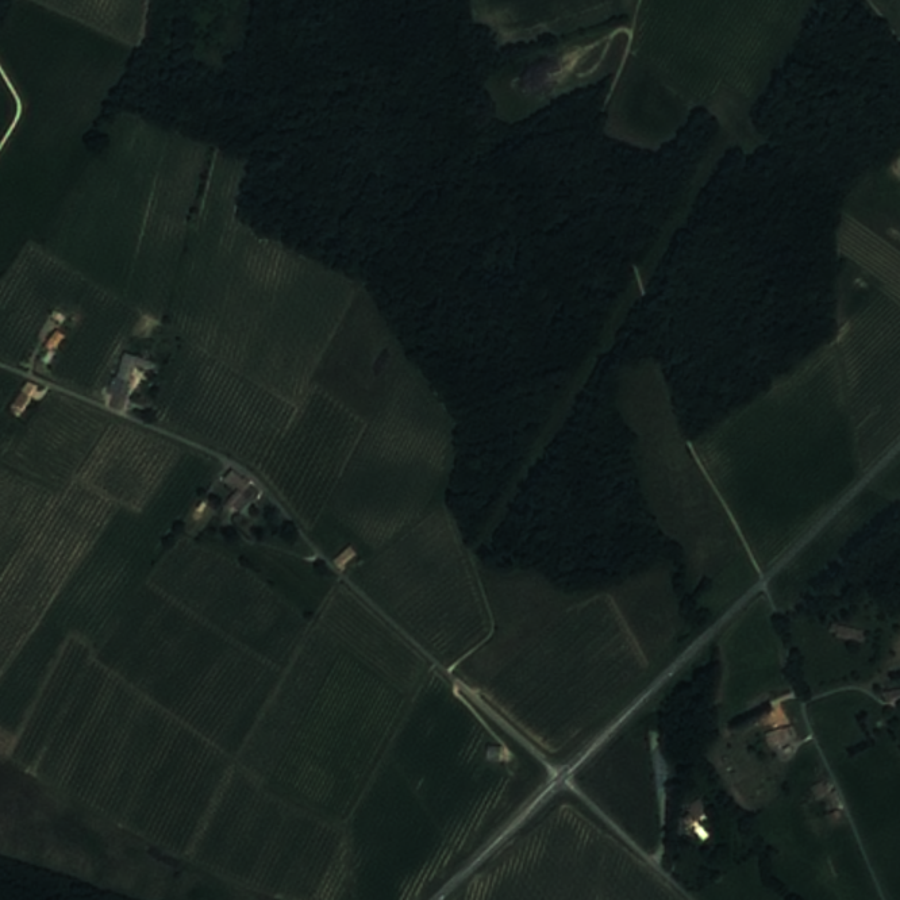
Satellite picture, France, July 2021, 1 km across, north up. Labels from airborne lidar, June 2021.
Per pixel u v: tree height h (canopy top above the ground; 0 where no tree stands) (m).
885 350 0
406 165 25
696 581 0
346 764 0
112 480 0
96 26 0
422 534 0
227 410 0
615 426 19
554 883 0
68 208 0
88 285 0
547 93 0
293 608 0
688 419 14
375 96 21
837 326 15
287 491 0
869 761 0
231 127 20
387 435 0
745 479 0
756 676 0
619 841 0
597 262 24
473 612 0
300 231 19
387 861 0
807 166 16
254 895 0
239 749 0
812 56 11
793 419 0
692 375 19
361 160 25
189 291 0
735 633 0
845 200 14
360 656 0
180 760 0
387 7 19
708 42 0
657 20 0
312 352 0
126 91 14
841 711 0
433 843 0
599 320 15
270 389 0
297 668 0
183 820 0
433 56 20
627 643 0
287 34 15
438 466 0
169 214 0
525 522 23
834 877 0
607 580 19
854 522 0
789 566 0
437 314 23
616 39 0
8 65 0
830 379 0
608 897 0
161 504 0
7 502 0
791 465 0
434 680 0
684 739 21
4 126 0
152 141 0
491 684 0
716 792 6
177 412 0
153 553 0
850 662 0
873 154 18
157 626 0
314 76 21
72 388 0
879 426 0
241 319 0
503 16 0
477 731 0
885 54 19
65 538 0
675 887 0
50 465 0
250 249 0
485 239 16
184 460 0
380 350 0
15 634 0
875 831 0
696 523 0
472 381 17
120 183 0
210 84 16
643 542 21
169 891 0
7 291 0
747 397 15
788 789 11
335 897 0
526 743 0
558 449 16
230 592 0
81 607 0
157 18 5
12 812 0
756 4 0
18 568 0
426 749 0
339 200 21
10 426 0
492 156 21
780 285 20
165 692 0
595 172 15
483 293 22
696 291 18
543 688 0
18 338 0
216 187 0
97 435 0
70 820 0
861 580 17
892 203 0
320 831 0
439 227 22
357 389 0
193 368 0
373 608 0
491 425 14
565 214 18
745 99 0
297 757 0
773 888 13
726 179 22
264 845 0
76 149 0
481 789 0
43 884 9
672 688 0
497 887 0
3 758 0
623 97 0
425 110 24
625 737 0
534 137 21
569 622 0
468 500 19
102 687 0
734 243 18
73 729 0
